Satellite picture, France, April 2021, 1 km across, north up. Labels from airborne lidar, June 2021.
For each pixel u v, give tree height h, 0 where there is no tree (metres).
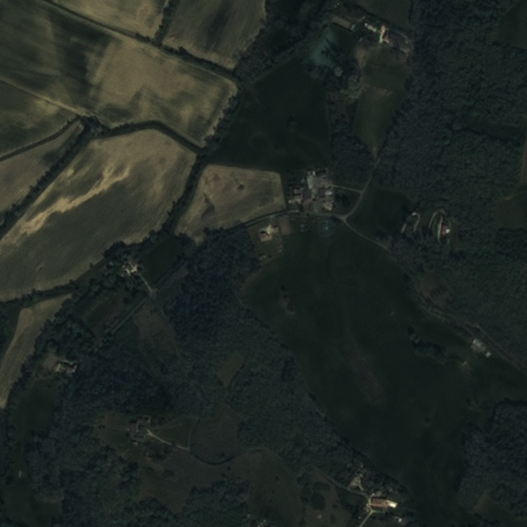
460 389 0
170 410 18
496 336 18
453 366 0
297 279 0
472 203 20
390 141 16
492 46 14
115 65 0
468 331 16
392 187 13
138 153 0
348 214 0
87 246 0
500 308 14
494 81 15
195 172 6
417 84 15
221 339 15
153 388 29
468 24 16
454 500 0
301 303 0
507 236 8
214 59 0
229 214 0
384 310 0
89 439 21
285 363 14
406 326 0
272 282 0
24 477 0
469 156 16
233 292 18
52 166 0
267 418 17
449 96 27
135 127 9
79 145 16
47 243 0
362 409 0
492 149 19
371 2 0
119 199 0
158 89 0
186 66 0
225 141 0
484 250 15
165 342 0
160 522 18
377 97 0
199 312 19
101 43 0
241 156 0
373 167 20
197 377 12
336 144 16
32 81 0
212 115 0
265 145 0
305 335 0
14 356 0
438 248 20
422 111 18
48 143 0
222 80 0
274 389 16
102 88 0
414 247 21
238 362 0
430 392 0
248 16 0
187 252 24
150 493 0
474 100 23
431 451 0
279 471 0
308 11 20
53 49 0
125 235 0
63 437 19
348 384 0
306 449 6
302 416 18
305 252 0
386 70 0
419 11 17
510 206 0
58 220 0
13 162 0
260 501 0
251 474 0
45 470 19
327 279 0
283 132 0
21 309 0
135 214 0
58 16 0
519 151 13
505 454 19
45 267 0
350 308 0
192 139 0
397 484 13
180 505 0
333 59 18
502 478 23
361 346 0
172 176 0
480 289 12
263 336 11
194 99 0
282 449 17
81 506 23
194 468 0
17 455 0
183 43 0
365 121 0
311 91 0
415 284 16
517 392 0
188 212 0
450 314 15
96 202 0
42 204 0
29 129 0
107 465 13
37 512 0
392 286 0
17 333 0
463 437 0
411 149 17
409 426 0
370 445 0
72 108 0
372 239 0
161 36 11
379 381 0
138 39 13
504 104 13
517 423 14
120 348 17
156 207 0
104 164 0
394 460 0
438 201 22
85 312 15
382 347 0
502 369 0
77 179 0
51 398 0
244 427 14
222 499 11
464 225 19
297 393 21
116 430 0
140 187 0
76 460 22
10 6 0
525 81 7
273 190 0
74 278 0
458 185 18
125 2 0
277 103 0
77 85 0
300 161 0
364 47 21
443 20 29
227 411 0
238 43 0
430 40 21
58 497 18
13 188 0
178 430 0
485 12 21
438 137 15
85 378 27
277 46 0
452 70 19
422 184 21
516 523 0
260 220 0
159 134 0
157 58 0
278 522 0
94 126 20
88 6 0
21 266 0
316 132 0
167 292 0
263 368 9
